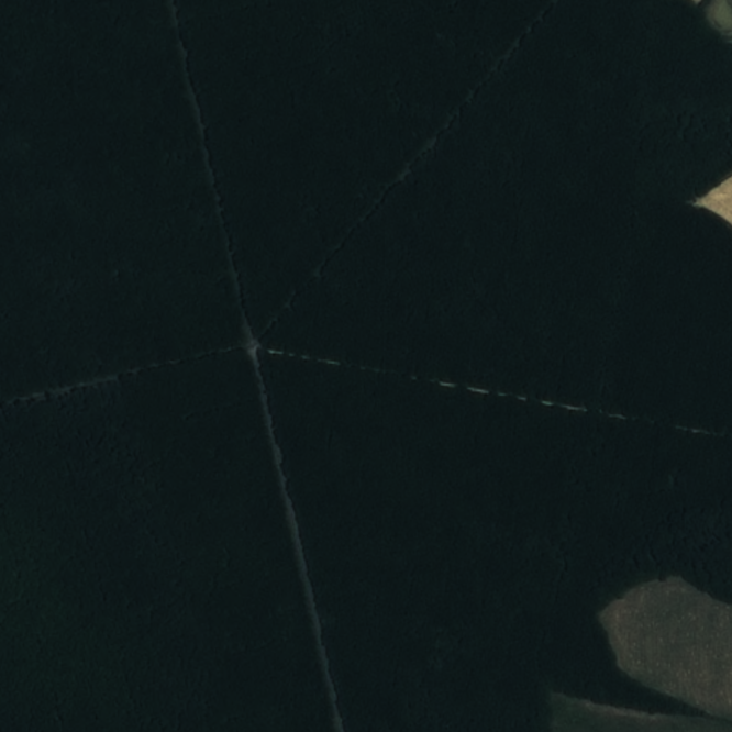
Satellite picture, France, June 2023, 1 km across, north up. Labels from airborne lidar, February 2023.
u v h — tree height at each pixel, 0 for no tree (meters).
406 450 14
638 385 17
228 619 8
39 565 21
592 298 18
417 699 14
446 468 15
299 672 15
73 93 21
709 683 0
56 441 25
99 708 24
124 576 24
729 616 0
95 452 20
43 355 18
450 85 14
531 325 14
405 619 16
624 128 17
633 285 18
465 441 17
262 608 11
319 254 17
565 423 16
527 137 7
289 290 14
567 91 16
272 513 15
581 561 16
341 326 18
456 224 16
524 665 18
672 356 18
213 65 17
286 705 15
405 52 17
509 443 16
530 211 17
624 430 16
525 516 14
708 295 17
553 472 16
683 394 17
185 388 15
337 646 12
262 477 13
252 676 16
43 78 20
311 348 15
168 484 13
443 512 14
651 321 19
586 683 20
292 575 13
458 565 14
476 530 12
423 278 16
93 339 18
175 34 21
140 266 18
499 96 13
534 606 18
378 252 14
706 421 13
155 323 21
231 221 18
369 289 16
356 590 12
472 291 14
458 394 16
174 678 24
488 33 13
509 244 14
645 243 18
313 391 16
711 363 15
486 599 15
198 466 13
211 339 15
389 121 14
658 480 17
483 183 19
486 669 18
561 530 15
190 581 19
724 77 16
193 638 24
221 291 20
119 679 21
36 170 22
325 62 19
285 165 15
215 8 17
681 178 21
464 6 15
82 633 21
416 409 17
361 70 16
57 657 27
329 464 15
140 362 14
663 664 0
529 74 15
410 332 17
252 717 14
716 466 15
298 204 13
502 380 15
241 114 17
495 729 18
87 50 24
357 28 15
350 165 14
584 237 20
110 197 19
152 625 25
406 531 13
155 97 20
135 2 21
